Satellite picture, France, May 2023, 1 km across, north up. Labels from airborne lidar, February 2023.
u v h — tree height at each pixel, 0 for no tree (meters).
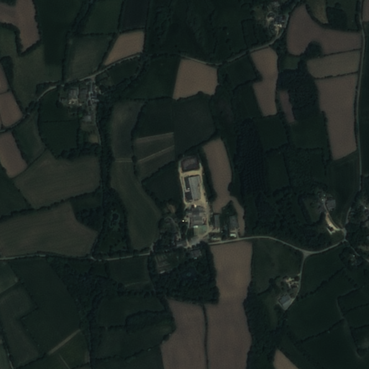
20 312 0
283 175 0
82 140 11
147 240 0
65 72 7
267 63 0
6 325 0
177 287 11
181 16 0
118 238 0
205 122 0
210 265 16
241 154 23
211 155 0
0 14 0
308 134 0
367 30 0
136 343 0
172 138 0
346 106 0
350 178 0
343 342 0
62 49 0
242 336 0
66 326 0
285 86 20
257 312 21
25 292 0
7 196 0
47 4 0
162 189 0
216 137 15
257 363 21
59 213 0
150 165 0
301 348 9
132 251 13
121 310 0
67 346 0
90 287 18
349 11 0
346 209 0
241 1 10
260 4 8
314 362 9
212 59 10
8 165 0
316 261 0
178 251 11
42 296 0
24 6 0
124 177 0
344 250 9
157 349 0
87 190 0
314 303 0
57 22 0
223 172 0
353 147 0
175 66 0
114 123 0
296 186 16
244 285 0
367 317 0
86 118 0
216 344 0
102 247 0
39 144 0
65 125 0
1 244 0
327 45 0
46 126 0
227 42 10
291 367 0
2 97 0
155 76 0
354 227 17
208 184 10
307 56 18
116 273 0
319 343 0
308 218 18
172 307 0
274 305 0
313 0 0
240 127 19
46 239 0
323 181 0
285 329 15
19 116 0
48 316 0
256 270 0
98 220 20
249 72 0
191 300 9
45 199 0
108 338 0
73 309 0
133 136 16
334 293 0
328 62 0
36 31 0
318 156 0
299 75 20
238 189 0
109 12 0
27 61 0
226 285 0
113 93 15
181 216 16
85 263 13
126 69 0
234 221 0
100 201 0
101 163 13
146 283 0
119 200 13
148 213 0
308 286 0
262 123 0
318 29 0
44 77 0
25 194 0
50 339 0
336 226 0
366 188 11
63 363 0
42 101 11
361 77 0
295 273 0
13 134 12
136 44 0
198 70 0
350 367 0
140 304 0
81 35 11
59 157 7
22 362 0
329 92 0
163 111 0
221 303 0
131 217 0
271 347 14
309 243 11
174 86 0
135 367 0
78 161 0
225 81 10
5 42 0
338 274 9
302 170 16
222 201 0
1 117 0
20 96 0
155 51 0
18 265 0
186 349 0
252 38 0
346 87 0
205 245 28
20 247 0
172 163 11
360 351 12
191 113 0
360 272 0
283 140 0
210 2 7
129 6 0
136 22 0
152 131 0
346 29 11
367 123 0
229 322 0
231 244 0
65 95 0
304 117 14
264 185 28
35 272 0
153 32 0
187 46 0
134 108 0
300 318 0
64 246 0
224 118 0
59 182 0
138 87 0
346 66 0
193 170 0
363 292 0
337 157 0
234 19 0
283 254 0
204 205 0
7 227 0
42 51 0
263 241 0
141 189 0
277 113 6
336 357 0
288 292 6
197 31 9
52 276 0
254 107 0
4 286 0
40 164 0
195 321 0
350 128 0
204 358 0
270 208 21
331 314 0
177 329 0
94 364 10
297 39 0
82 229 0
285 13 11
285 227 18
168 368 0
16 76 0
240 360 0
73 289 12
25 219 0
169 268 0
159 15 14
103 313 0
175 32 0
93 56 0
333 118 0
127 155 0
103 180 12
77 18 7
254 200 0
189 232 0
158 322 14
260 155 30
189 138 0
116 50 0
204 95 9
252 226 0
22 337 0
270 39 7
